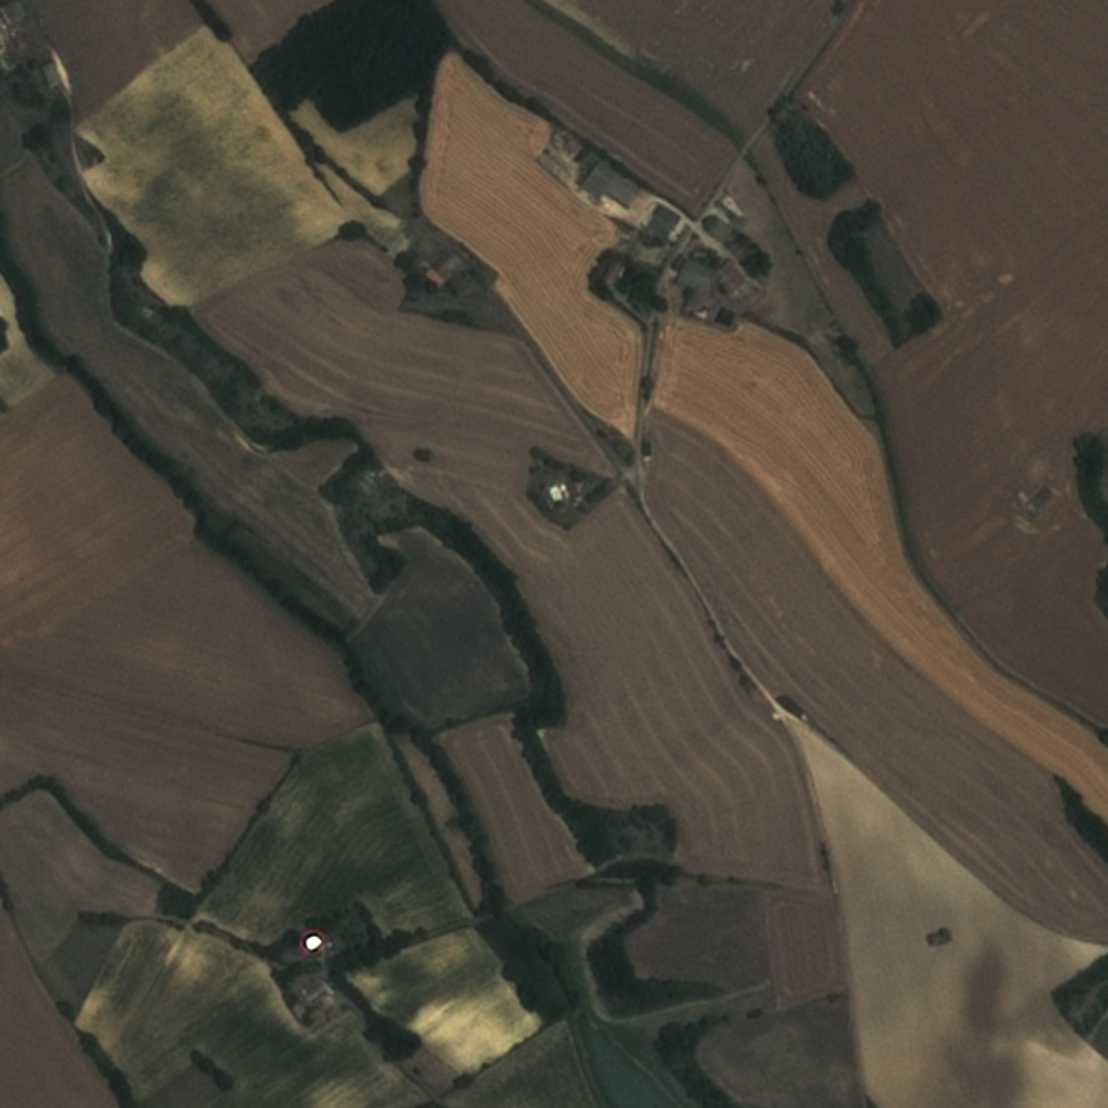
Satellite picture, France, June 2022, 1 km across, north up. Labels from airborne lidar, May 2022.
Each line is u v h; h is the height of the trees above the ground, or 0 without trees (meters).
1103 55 0
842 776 0
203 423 0
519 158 0
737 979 0
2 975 0
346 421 11
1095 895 0
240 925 0
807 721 0
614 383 0
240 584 0
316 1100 0
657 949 0
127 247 10
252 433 7
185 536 0
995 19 0
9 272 14
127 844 0
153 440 0
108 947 0
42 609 0
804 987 0
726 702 0
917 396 0
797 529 0
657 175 0
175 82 0
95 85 0
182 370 0
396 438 0
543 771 14
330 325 0
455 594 0
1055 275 0
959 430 0
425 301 0
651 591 0
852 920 0
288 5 0
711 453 0
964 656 0
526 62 0
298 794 0
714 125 0
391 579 6
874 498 0
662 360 0
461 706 0
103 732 0
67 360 10
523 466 0
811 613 0
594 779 0
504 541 0
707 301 0
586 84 0
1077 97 0
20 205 0
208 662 0
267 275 0
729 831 0
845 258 15
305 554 0
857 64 0
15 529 0
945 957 0
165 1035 0
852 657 0
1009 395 0
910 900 0
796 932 0
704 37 0
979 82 0
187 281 0
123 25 0
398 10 17
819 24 0
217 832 0
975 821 0
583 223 0
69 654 0
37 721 0
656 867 8
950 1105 0
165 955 0
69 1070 0
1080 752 0
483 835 12
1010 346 0
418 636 0
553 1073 0
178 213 0
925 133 0
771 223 0
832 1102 0
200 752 0
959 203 0
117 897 0
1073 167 0
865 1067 0
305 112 0
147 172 0
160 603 0
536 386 0
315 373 0
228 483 0
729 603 0
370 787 0
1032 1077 0
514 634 14
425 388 0
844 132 0
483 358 0
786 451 0
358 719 0
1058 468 0
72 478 0
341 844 0
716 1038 0
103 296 0
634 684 0
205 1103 0
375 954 17
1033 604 0
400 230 0
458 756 0
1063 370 0
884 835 0
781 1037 0
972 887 0
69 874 0
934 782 0
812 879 0
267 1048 0
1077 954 0
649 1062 0
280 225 0
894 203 0
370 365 0
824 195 13
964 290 0
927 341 0
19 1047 0
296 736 0
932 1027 0
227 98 0
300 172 0
